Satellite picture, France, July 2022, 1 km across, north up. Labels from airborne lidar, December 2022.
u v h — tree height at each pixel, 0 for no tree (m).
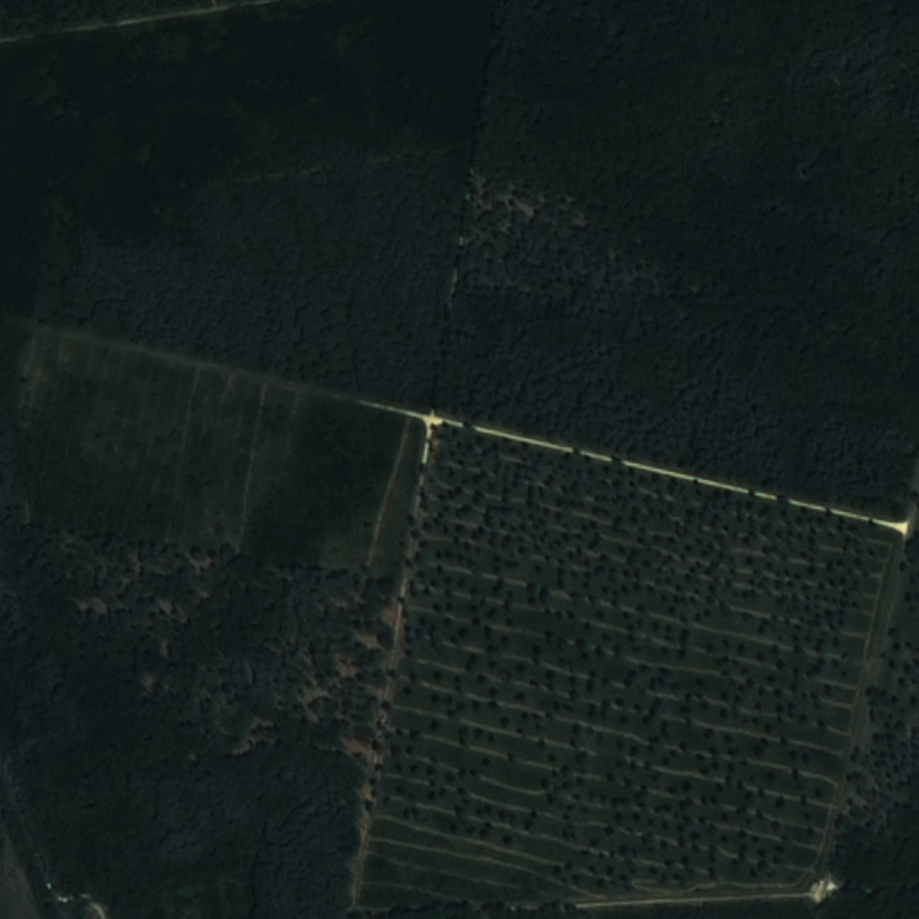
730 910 6
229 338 7
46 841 19
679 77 21
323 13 8
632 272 22
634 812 26
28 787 21
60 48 10
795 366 23
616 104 22
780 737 28
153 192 7
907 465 25
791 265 27
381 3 8
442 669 0
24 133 10
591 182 18
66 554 23
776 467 23
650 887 0
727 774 27
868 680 0
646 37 23
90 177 8
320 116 7
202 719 35
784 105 16
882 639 0
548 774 0
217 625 26
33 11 27
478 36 9
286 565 6
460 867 0
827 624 25
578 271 26
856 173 22
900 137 16
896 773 30
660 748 28
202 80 7
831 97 17
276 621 26
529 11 28
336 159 8
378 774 0
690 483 0
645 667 0
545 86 27
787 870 29
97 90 7
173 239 6
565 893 0
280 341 10
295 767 25
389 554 0
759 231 25
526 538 24
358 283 11
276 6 7
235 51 9
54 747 25
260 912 18
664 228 20
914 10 25
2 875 0
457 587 25
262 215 7
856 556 27
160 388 0
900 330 23
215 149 6
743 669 26
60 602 26
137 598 25
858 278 23
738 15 23
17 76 10
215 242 8
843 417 22
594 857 19
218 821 23
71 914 11
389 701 0
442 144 7
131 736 33
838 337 19
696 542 24
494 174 19
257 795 29
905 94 20
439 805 27
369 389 10
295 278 10
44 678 27
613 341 22
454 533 24
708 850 21
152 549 27
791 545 29
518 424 23
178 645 29
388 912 0
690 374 18
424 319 8
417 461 0
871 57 23
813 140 17
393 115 8
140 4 27
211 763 31
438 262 10
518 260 23
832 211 24
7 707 29
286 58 5
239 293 10
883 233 21
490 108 23
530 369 22
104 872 14
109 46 11
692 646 27
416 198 8
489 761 0
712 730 0
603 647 0
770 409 24
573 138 23
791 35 19
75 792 21
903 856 18
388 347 8
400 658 0
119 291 11
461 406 13
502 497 23
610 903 0
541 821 25
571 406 27
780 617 0
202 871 22
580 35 31
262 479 0
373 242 7
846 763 0
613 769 0
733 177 22
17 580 22
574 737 0
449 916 27
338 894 32
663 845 28
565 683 31
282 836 23
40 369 0
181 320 7
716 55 22
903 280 19
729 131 20
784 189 26
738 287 27
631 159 20
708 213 25
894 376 18
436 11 9
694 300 20
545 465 21
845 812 0
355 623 22
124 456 0
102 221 9
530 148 16
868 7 14
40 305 13
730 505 27
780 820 0
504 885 0
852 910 27
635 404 28
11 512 19
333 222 9
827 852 0
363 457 8
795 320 24
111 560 23
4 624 20
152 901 11
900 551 0
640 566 26
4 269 11
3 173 11
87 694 29
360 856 24
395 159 6
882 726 27
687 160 17
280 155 5
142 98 6
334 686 30
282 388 0
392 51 8
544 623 0
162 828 21
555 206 22
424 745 28
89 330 18
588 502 27
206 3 25
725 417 22
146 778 30
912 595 0
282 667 27
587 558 24
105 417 0
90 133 8
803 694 27
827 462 23
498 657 26
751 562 0
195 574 28
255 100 6
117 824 24
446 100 7
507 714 31
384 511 0
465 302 19
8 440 16
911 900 25
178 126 7
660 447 26
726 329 22
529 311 23
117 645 30
